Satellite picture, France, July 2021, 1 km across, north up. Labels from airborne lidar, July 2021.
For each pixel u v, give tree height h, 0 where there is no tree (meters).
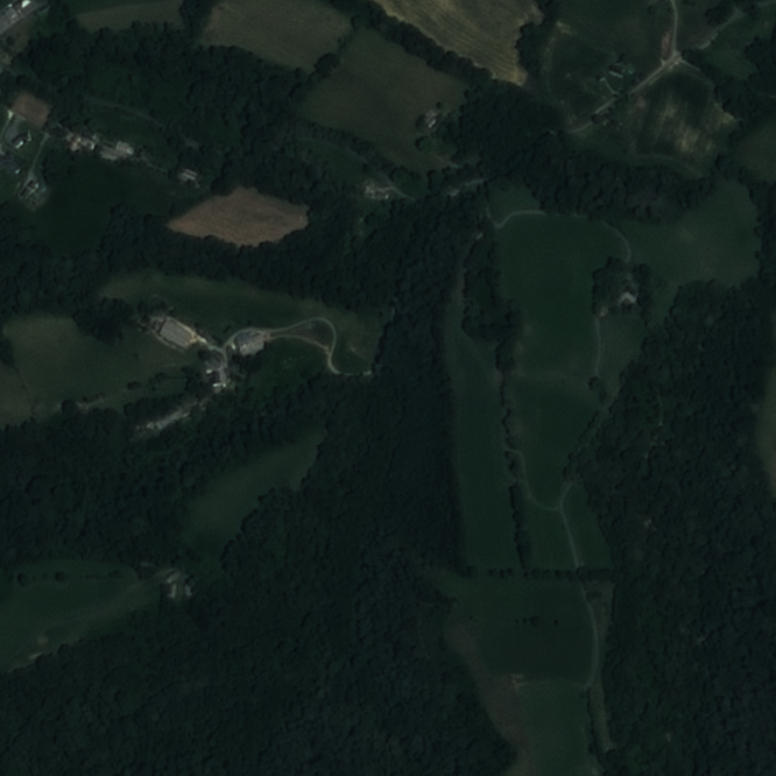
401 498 17
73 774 22
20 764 24
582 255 0
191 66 13
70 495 28
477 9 0
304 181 12
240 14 0
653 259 0
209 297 0
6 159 0
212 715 24
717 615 25
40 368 0
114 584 0
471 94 19
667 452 18
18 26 0
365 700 22
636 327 0
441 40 0
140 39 7
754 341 24
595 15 0
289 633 25
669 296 0
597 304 10
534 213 0
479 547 0
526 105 21
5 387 0
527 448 0
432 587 9
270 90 27
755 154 0
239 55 24
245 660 25
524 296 0
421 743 25
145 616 8
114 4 0
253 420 19
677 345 25
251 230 0
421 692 26
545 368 0
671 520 16
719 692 30
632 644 13
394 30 12
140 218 15
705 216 0
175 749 20
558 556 0
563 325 0
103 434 21
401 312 12
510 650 0
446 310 14
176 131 14
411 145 0
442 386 15
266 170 23
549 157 19
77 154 12
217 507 0
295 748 23
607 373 0
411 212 22
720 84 19
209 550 0
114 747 30
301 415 22
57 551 9
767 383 17
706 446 15
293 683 16
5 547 15
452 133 21
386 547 24
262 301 0
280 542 10
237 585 21
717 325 17
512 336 23
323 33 0
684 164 0
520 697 0
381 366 22
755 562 15
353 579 17
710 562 22
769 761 18
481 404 0
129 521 26
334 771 17
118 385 0
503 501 0
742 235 0
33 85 18
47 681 17
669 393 10
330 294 15
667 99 0
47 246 7
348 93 0
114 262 23
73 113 10
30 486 10
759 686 17
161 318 0
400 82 0
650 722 26
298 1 0
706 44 0
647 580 19
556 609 0
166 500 24
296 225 0
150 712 25
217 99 22
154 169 5
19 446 15
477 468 0
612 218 21
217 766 30
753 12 19
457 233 15
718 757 28
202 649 12
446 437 20
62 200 0
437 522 14
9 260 29
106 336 18
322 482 20
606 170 15
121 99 8
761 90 10
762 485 13
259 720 15
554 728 0
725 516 24
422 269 16
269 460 0
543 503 0
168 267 23
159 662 9
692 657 12
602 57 0
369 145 10
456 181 28
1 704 21
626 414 11
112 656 28
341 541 18
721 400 19
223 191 19
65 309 24
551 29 14
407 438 9
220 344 11
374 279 23
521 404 0
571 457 11
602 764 13
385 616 17
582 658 0
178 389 0
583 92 0
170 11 0
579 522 0
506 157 14
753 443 14
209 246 21
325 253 27
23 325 0
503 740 6
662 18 0
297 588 11
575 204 26
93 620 0
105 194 0
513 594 0
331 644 25
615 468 19
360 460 16
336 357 0
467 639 0
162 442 8
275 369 0
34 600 0
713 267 0
